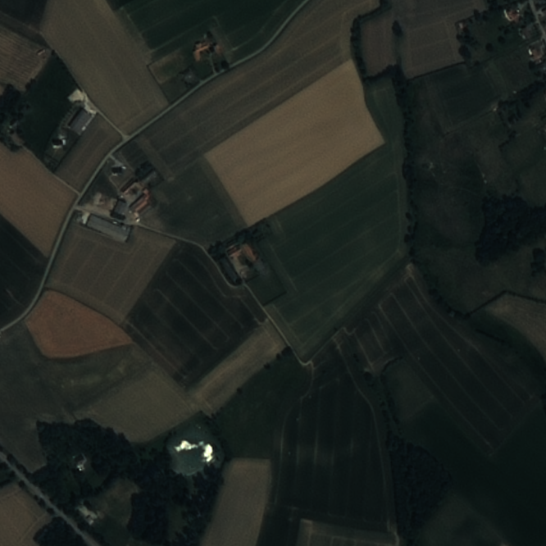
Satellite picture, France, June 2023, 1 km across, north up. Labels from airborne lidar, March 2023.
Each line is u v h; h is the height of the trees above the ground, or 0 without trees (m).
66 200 0
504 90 0
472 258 0
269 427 0
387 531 0
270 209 0
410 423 0
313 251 0
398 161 0
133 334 0
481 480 0
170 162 0
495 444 0
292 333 0
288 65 0
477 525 0
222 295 0
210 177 0
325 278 0
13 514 0
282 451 0
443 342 0
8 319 0
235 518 0
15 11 0
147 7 0
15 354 0
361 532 0
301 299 0
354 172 0
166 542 0
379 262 0
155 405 0
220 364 0
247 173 0
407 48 0
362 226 0
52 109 0
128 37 0
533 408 0
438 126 0
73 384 0
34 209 0
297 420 0
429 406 0
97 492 13
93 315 0
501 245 25
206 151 0
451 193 0
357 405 0
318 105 0
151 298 0
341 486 0
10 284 0
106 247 0
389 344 0
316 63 0
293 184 0
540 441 0
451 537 0
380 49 0
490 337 7
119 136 0
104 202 0
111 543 0
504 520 0
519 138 0
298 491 0
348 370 0
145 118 0
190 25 0
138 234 0
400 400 0
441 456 0
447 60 0
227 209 0
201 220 0
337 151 0
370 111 0
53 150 0
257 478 0
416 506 25
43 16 0
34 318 0
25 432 0
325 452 0
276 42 0
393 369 0
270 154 0
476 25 0
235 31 0
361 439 0
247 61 0
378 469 0
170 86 0
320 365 0
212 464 0
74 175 0
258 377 0
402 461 19
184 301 0
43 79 0
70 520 0
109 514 0
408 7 0
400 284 0
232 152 0
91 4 0
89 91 0
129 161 0
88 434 19
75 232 0
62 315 0
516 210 24
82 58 0
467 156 0
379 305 0
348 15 0
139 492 0
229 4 0
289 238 0
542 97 0
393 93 0
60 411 0
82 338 0
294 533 0
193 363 0
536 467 0
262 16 0
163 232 0
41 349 0
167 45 0
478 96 0
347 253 0
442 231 0
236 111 0
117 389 0
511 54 0
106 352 0
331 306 0
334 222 0
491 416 0
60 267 0
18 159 0
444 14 0
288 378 0
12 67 0
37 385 0
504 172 0
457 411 0
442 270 0
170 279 0
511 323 0
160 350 0
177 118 0
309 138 0
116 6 0
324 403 0
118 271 0
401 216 0
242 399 0
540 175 0
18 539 0
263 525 0
